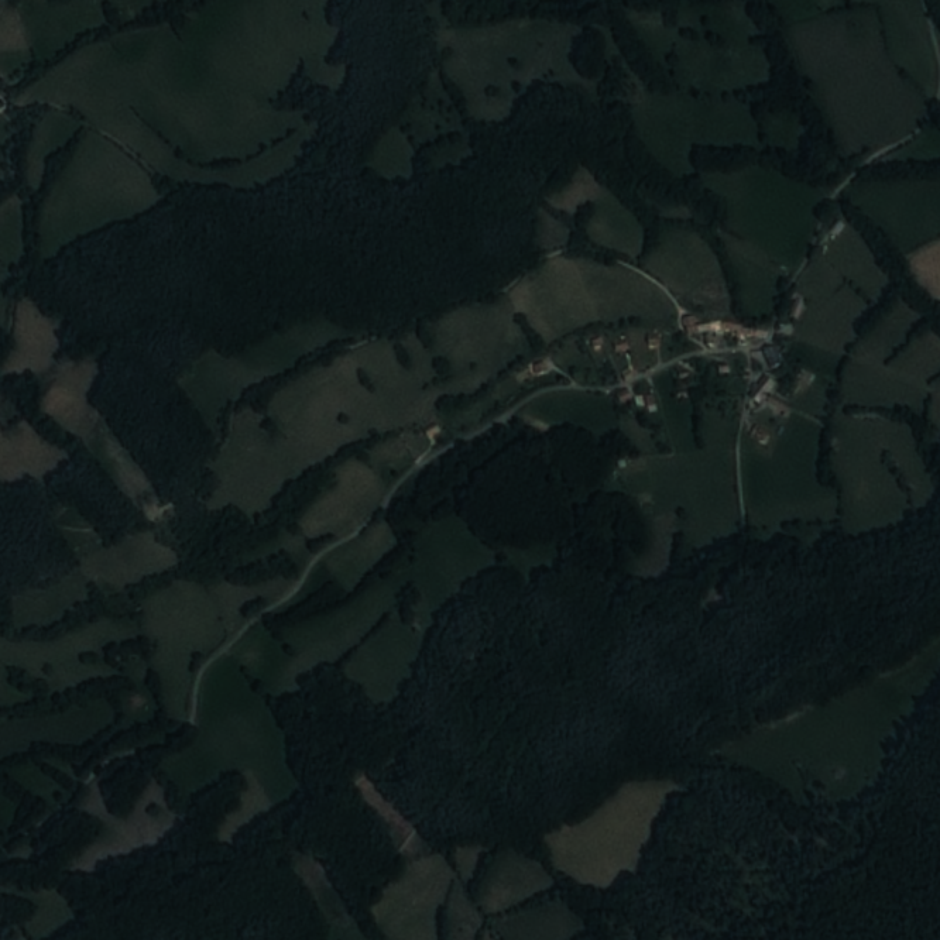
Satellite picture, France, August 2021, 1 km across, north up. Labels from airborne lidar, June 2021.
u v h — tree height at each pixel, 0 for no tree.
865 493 0
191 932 16
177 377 19
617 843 0
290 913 13
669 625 24
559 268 0
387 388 0
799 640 28
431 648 15
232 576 19
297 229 19
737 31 0
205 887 26
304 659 0
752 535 13
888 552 21
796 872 21
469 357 0
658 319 0
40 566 17
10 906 17
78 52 12
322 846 23
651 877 17
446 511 13
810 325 0
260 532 14
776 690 30
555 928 0
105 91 0
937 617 25
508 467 22
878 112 0
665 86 19
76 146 10
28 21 0
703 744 20
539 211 8
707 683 24
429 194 21
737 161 23
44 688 13
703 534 0
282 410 0
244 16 0
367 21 15
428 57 11
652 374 0
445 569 0
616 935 8
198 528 15
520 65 13
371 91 15
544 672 26
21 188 12
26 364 0
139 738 17
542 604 22
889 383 0
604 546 16
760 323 8
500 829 26
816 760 0
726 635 15
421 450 0
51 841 20
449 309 9
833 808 15
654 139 0
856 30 0
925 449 6
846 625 27
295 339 0
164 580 14
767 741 0
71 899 22
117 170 0
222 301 18
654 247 12
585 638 22
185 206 15
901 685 0
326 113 16
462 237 17
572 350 0
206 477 12
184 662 0
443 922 14
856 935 16
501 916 8
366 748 26
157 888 24
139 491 0
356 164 17
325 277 18
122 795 23
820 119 20
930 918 16
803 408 0
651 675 22
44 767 11
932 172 20
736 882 13
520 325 11
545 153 16
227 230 17
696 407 7
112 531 12
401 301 16
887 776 10
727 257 7
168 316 18
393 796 21
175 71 0
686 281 0
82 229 0
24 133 11
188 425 19
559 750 17
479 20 10
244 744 0
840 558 22
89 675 0
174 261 17
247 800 0
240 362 0
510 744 15
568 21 15
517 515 23
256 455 0
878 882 16
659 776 11
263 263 20
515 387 0
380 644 0
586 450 17
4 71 0
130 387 19
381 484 0
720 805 20
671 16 10
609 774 17
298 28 0
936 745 21
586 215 12
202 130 0
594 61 22
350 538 0
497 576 17
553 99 19
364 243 20
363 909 17
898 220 0
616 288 0
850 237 0
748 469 0
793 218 0
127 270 19
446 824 20
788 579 15
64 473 14
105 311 16
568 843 0
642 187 9
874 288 0
